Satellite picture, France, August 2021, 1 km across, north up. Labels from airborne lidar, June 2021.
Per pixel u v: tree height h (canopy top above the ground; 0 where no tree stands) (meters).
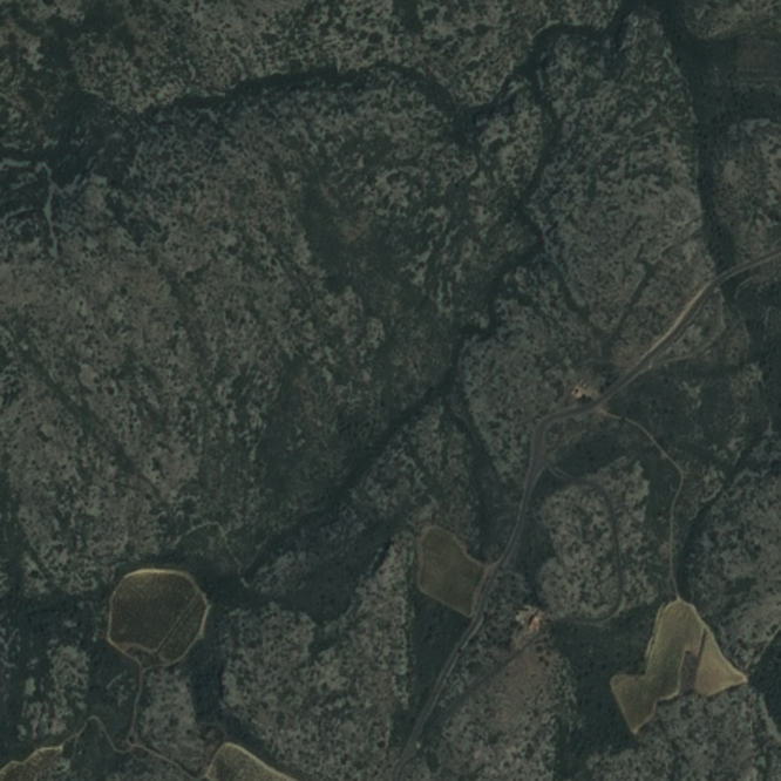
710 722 0
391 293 0
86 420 0
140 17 0
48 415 0
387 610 0
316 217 0
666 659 0
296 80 6
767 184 0
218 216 0
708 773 0
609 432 0
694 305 0
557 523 0
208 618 0
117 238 0
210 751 0
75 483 0
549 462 0
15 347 0
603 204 0
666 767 0
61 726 0
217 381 0
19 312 0
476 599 0
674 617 0
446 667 0
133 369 0
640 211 0
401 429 0
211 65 0
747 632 0
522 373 0
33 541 0
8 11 0
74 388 0
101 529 0
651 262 0
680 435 0
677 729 0
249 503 0
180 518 0
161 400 0
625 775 0
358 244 0
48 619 10
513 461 0
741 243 0
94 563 0
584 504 0
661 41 0
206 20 0
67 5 0
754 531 0
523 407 0
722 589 0
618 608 0
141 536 0
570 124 0
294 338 0
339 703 0
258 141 0
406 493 0
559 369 0
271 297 0
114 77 0
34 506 0
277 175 0
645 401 0
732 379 0
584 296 0
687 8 0
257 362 0
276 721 0
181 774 0
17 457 0
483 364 0
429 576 0
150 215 0
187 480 0
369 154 0
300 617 0
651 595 0
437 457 0
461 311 0
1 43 0
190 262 0
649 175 0
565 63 0
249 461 0
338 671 0
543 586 0
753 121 0
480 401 0
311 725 0
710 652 0
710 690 0
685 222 0
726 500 0
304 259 0
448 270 0
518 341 0
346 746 0
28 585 0
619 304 0
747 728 0
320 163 0
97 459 0
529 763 0
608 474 0
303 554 0
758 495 0
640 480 0
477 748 0
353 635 0
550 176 0
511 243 0
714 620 0
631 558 0
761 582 0
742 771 0
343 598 0
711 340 0
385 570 0
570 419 0
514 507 0
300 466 0
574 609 0
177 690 0
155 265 0
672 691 0
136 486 0
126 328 0
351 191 0
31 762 0
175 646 0
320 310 0
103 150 0
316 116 0
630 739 9
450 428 0
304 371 0
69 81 8
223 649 0
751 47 0
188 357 0
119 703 0
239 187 0
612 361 0
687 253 0
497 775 0
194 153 0
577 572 0
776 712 10
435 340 0
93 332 0
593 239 0
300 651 0
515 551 0
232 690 0
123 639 0
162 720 0
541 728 0
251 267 0
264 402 0
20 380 0
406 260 0
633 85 0
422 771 0
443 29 0
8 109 0
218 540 0
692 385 0
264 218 0
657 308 0
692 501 0
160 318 0
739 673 0
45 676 0
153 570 0
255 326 0
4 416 0
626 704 0
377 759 0
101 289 0
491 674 0
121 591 0
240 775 0
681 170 0
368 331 0
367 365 0
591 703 7
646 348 0
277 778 0
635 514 0
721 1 0
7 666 0
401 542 0
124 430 0
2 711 0
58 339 0
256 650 0
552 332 0
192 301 0
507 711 0
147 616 0
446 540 0
